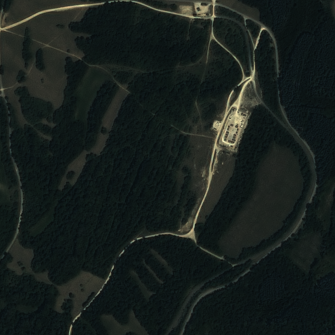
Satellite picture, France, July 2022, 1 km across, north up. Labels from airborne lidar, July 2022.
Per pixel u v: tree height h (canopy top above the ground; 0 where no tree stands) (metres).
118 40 19
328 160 24
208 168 0
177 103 7
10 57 0
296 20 9
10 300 10
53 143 17
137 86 10
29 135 7
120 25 12
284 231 14
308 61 15
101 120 12
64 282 18
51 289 15
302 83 19
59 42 0
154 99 7
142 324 15
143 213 11
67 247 10
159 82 10
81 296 0
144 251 21
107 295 22
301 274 17
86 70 11
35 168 9
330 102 13
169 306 23
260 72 9
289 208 0
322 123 27
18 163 17
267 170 0
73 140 18
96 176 21
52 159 10
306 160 14
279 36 7
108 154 13
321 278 0
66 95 12
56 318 26
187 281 16
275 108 14
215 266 12
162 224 17
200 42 15
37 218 14
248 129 9
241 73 7
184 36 10
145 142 10
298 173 0
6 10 8
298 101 19
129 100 19
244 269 11
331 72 19
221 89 16
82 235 15
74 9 0
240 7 0
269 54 21
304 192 12
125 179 9
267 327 31
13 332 24
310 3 9
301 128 24
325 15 15
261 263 15
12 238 8
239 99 0
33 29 0
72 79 12
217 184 0
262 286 27
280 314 15
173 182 17
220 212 20
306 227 10
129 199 21
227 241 0
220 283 9
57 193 19
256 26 7
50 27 0
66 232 19
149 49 15
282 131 15
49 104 6
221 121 0
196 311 14
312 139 24
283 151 0
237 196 15
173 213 11
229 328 18
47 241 12
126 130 14
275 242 13
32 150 17
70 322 6
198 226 10
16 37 0
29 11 0
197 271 15
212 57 0
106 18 19
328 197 0
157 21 12
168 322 12
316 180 0
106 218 10
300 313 20
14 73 0
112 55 18
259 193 0
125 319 20
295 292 16
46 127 12
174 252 16
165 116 8
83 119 0
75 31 17
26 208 7
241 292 21
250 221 0
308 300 18
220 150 0
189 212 6
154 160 9
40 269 10
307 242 0
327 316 27
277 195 0
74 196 18
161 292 21
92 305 13
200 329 8
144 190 21
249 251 13
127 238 14
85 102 0
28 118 6
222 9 6
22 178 12
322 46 20
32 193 8
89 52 15
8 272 10
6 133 9
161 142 11
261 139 14
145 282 14
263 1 28
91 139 16
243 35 7
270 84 22
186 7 0
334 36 20
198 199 0
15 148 20
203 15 0
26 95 8
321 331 27
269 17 26
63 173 16
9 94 0
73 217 23
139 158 13
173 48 18
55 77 0
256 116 20
